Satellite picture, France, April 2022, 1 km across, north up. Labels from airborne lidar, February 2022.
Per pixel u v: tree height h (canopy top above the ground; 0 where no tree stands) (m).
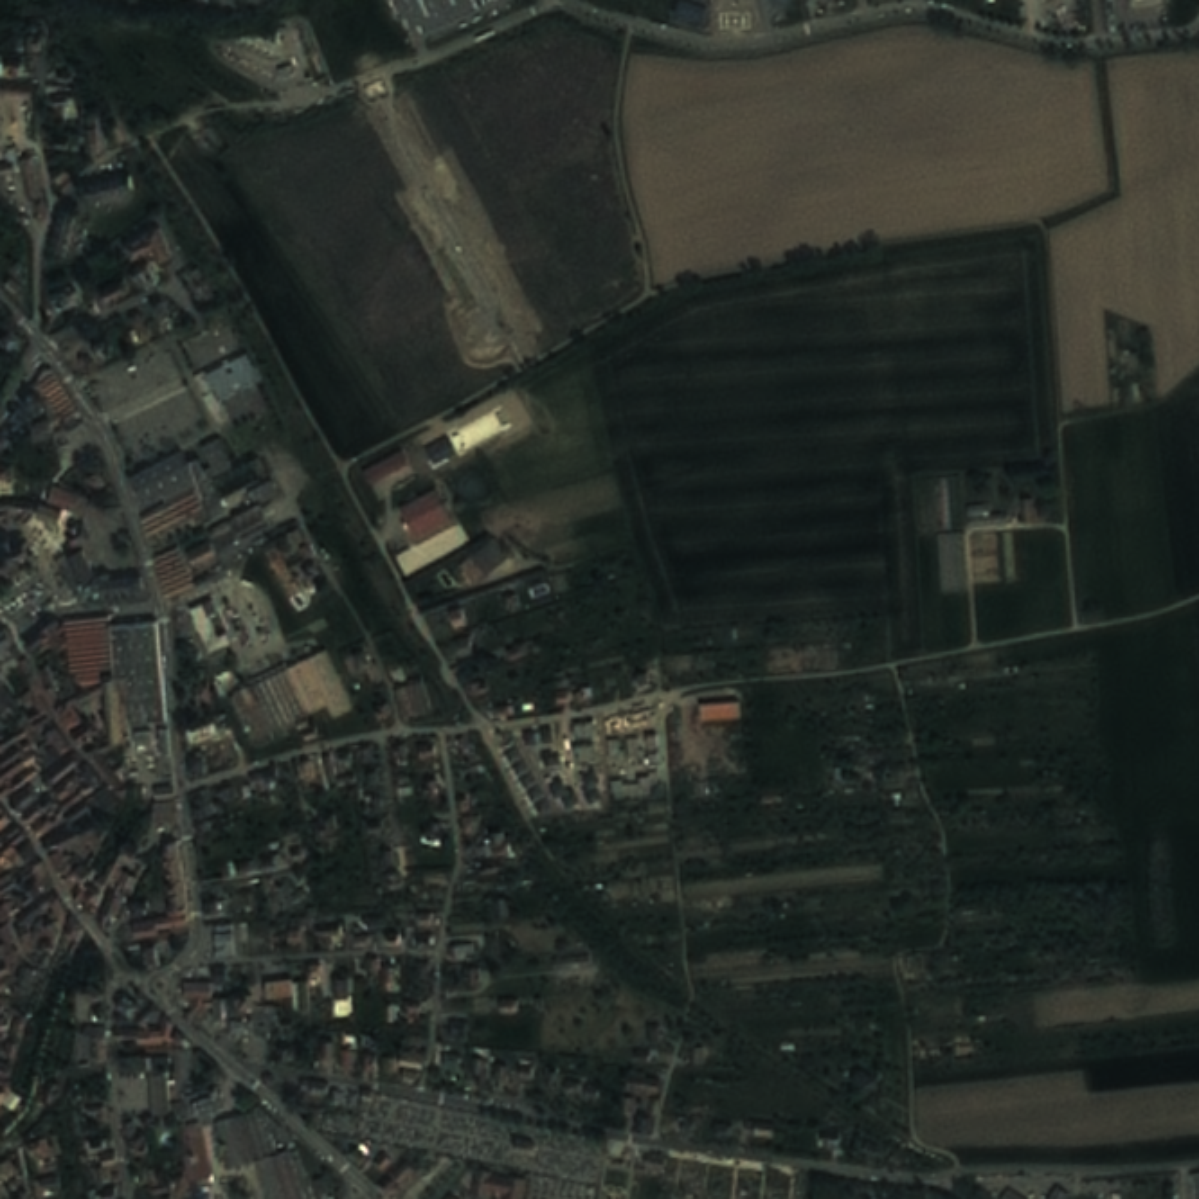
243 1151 0
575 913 8
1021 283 0
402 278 0
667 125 0
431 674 0
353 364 0
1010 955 6
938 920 6
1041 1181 0
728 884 0
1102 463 0
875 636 0
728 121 0
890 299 0
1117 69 0
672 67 0
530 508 0
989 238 0
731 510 0
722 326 0
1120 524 0
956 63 0
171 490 0
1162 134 0
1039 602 0
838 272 0
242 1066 0
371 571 0
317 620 0
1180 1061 0
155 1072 0
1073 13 0
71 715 0
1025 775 0
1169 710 0
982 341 0
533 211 0
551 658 0
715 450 0
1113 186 0
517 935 0
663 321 0
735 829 0
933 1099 0
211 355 0
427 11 0
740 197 0
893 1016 0
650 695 0
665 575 0
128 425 0
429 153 0
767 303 0
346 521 0
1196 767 0
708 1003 0
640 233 0
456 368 0
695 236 0
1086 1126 0
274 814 0
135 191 0
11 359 12
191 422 0
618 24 0
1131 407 0
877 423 0
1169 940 6
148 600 0
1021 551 0
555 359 8
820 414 0
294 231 0
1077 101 0
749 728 9
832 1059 8
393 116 0
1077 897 11
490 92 0
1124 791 0
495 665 6
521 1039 0
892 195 0
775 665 0
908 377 0
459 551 7
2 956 0
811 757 0
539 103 0
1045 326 0
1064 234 0
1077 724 0
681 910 0
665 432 0
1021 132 0
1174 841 0
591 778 0
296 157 0
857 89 0
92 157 13
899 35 0
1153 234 0
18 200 0
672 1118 10
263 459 0
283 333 0
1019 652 0
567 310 0
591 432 0
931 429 0
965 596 0
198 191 0
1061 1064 0
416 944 0
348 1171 0
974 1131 0
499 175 0
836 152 0
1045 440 0
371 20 0
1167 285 0
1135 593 0
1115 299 0
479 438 0
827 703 0
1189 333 0
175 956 0
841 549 0
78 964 11
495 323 0
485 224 0
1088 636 0
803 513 0
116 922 0
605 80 0
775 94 0
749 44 0
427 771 0
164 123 15
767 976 0
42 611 0
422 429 0
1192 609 0
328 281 0
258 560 0
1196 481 0
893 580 0
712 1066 7
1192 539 0
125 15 23
